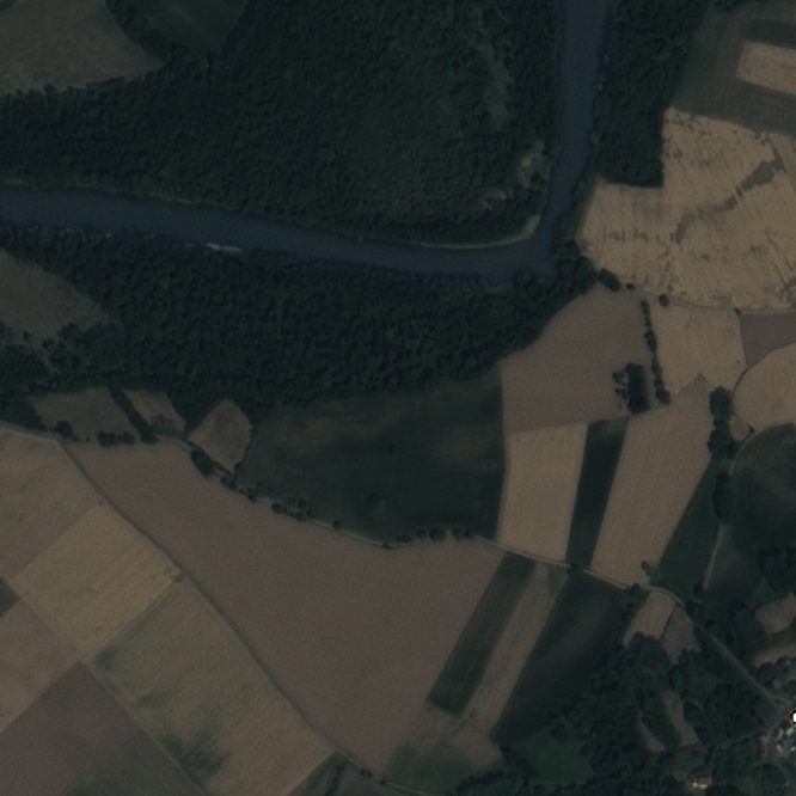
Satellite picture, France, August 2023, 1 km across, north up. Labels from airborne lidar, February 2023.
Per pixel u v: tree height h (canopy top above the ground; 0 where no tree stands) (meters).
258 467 0
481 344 15
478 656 0
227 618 0
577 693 0
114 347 37
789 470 0
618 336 0
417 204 10
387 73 19
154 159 17
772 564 31
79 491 0
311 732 0
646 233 0
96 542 0
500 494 0
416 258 0
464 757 0
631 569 0
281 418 0
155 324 6
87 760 0
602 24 0
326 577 0
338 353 13
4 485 0
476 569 0
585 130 0
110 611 0
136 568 0
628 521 0
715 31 0
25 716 0
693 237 0
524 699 0
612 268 0
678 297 0
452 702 0
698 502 0
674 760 12
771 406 0
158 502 0
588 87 0
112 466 0
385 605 0
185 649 0
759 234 0
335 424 0
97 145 20
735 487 25
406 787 0
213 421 0
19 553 0
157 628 0
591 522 0
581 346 0
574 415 0
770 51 0
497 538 0
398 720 0
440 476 0
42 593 0
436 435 0
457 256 0
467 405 0
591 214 0
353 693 0
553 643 0
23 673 0
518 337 28
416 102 7
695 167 0
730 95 0
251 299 18
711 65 0
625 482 0
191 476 0
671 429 0
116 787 0
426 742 0
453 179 12
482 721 0
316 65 13
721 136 0
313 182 18
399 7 18
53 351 19
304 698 0
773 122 0
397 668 0
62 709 0
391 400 0
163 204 0
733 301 0
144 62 0
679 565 0
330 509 0
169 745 0
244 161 12
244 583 0
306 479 0
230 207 10
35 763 0
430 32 16
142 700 0
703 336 0
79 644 0
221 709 0
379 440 0
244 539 0
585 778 0
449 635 0
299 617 0
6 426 0
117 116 24
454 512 0
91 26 0
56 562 0
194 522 0
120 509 0
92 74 0
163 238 0
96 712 0
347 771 0
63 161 23
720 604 0
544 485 0
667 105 10
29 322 0
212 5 0
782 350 0
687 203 0
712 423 0
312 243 0
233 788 0
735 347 0
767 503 0
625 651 19
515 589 0
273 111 15
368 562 0
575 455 0
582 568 7
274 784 0
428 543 0
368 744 0
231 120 17
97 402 0
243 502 0
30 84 0
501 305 15
